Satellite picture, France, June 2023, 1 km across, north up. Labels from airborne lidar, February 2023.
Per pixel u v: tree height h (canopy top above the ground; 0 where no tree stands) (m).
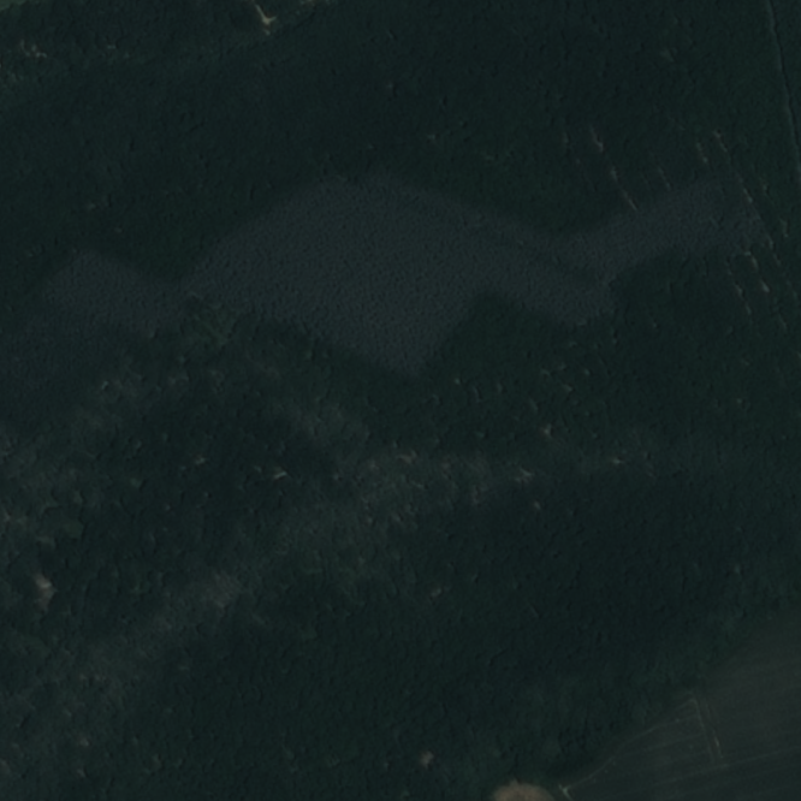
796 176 19
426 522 21
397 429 23
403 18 24
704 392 21
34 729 26
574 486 20
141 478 19
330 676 16
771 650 0
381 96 23
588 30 24
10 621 21
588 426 22
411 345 16
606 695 20
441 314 18
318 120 23
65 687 21
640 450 23
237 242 19
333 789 12
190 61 22
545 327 19
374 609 16
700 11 23
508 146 24
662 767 0
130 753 19
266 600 20
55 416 19
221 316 15
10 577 20
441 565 20
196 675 20
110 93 21
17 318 16
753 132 17
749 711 0
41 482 19
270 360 23
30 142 22
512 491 19
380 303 18
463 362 18
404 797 22
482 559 21
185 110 23
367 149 24
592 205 18
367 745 18
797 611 0
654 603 20
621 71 25
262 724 17
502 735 26
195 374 25
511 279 17
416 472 21
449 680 20
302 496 15
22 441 18
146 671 20
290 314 24
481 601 16
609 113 21
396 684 15
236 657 18
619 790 0
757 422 16
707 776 0
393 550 17
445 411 22
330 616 14
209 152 22
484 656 18
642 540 19
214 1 21
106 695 25
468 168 22
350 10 22
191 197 20
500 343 20
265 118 25
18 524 16
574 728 13
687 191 18
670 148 16
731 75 18
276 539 16
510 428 22
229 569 24
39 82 10
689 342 20
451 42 24
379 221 21
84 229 21
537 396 21
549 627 21
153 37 19
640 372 20
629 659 23
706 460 20
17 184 23
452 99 26
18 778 23
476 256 19
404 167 21
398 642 17
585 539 22
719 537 17
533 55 26
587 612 22
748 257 12
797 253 17
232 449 24
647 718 21
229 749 16
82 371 19
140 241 18
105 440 19
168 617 24
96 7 17
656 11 23
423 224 18
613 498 21
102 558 19
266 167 26
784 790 0
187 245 18
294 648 15
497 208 18
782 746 0
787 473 19
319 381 20
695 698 0
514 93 22
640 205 16
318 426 19
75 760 19
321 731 19
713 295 16
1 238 24
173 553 24
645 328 18
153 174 24
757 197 17
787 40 20
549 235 19
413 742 22
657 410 22
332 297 17
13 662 18
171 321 21
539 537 22
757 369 18
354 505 24
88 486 20
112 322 19
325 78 24
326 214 22
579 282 18
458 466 22
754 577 20
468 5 23
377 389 17
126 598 17
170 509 25
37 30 9
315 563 12
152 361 18
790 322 20
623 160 21
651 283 20
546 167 20
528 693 23
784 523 19
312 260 21
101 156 24
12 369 17
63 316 18
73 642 20
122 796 20
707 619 18
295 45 22
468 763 25
